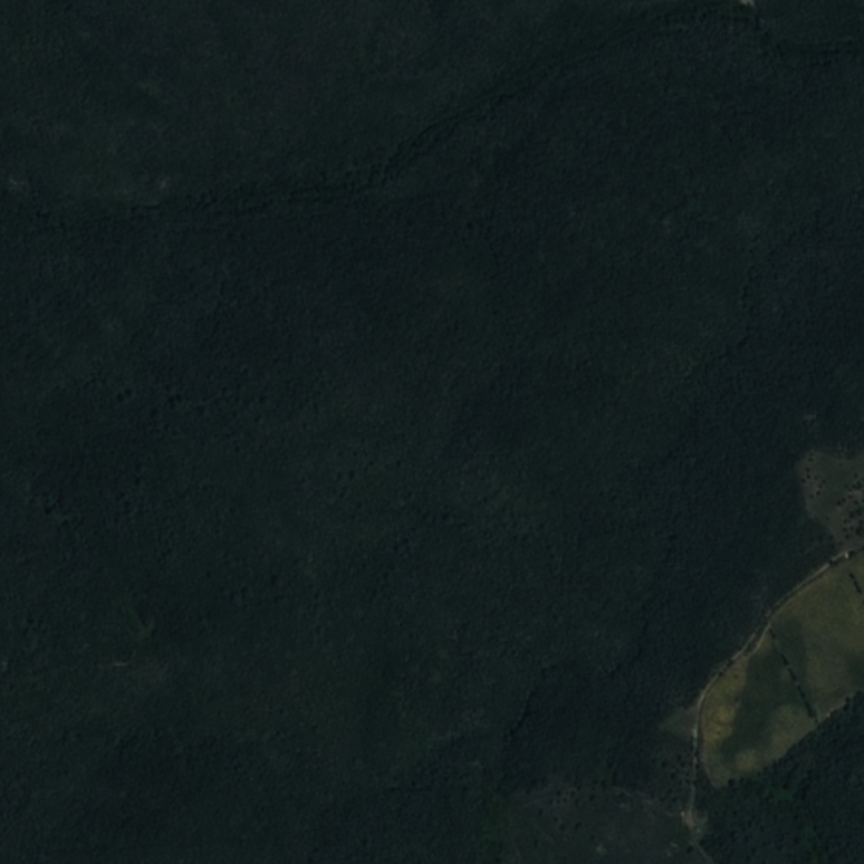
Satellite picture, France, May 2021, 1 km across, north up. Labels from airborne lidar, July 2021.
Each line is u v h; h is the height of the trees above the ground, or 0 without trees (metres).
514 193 17
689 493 9
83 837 9
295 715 6
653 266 11
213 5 6
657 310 9
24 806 13
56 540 13
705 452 10
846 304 10
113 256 10
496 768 12
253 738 13
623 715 12
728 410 8
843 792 8
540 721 8
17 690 6
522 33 11
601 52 6
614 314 12
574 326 11
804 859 7
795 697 0
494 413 10
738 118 20
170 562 9
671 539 12
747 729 0
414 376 9
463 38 7
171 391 17
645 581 8
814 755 12
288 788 9
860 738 18
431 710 8
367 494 9
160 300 11
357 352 9
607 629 8
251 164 14
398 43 7
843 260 6
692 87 11
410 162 11
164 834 9
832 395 7
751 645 5
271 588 11
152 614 14
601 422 11
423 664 9
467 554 8
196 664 9
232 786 11
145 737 18
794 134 8
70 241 15
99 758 12
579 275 15
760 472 9
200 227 9
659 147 10
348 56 9
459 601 11
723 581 8
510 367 10
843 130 9
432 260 8
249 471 6
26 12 13
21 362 11
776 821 6
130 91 5
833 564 9
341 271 11
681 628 10
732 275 12
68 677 7
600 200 9
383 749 8
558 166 10
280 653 7
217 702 7
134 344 13
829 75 10
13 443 12
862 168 11
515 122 11
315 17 6
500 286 9
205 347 11
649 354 10
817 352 6
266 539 6
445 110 15
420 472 7
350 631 6
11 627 8
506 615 11
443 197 17
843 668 0
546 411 7
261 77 7
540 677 13
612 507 16
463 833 9
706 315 9
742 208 9
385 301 11
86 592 8
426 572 7
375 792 10
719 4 14
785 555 6
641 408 12
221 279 11
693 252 11
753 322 14
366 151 10
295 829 11
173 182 6
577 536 14
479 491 6
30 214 10
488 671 8
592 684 15
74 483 15
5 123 6
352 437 6
